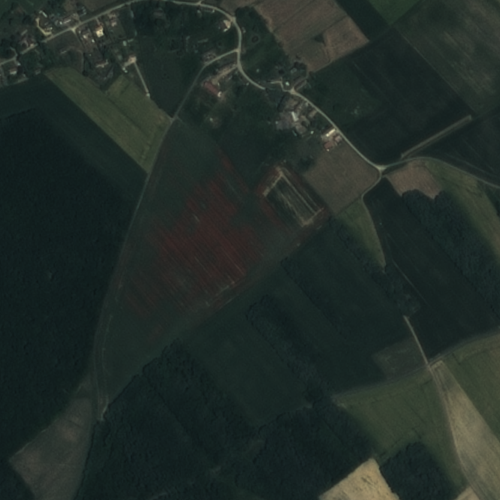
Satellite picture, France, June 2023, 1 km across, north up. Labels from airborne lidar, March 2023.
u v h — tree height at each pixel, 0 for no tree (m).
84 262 24
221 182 0
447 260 0
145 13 13
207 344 0
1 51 10
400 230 0
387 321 0
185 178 0
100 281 23
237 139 0
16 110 0
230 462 18
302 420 11
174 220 0
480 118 0
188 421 20
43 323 23
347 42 0
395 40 0
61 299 26
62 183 24
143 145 0
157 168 0
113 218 22
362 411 0
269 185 0
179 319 0
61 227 23
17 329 23
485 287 21
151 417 26
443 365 0
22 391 24
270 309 19
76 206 26
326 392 16
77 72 0
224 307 0
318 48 0
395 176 0
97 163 0
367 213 0
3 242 20
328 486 20
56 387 24
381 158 0
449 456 0
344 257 0
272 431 22
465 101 0
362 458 17
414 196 18
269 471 25
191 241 0
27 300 24
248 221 0
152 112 0
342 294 0
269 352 0
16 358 23
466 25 0
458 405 0
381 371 0
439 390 0
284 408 0
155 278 0
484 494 0
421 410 0
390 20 0
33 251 20
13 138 25
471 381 0
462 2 0
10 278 24
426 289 0
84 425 0
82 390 0
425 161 0
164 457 27
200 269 0
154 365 18
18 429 23
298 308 0
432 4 0
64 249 20
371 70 0
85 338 22
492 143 0
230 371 0
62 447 0
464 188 0
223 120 0
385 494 0
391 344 0
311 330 0
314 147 0
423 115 0
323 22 0
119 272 0
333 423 24
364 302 0
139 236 0
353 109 0
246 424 12
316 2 0
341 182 0
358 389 0
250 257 0
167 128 0
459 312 0
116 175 0
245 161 0
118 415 24
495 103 0
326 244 0
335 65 0
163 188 0
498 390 0
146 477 23
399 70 0
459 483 0
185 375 22
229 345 0
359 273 0
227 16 0
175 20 11
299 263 0
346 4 0
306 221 0
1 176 23
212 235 0
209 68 0
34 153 23
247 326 0
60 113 0
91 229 23
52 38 0
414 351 0
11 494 16
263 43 0
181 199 0
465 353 0
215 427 22
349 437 22
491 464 0
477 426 0
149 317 0
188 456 27
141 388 20
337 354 0
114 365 0
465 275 18
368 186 0
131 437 26
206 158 0
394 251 0
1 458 18
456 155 0
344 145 0
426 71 0
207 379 13
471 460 0
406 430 0
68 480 0
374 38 0
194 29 0
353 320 0
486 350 0
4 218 22
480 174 0
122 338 0
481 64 0
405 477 22
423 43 0
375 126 0
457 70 0
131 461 26
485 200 0
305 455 22
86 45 0
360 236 0
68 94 0
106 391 0
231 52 0
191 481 23
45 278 26
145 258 0
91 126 0
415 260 0
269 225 0
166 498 7
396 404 0
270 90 14
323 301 15
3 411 19
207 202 0
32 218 25
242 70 0
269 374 0
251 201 0
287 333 19
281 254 0
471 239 22
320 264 0
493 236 0
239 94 8
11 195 26
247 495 0
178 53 9
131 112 0
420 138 0
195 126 0
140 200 0
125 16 0
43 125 22
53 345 22
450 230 16
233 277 0
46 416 19
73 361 21
